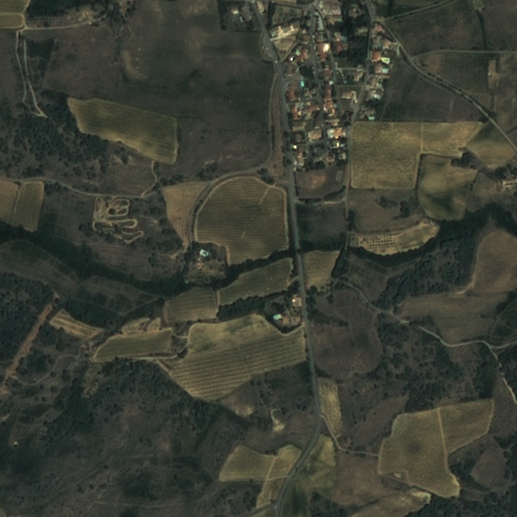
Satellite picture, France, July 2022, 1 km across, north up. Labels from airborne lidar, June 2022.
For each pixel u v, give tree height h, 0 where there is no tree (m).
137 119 0
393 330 11
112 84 0
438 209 0
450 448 0
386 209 7
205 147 0
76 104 0
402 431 0
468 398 7
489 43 0
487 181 0
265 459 0
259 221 0
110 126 0
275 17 0
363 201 0
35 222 0
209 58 0
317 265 0
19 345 11
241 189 0
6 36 0
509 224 7
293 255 14
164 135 0
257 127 0
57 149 13
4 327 11
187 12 0
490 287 0
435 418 0
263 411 0
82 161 11
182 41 0
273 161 0
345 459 0
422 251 8
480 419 0
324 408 0
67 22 0
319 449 0
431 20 0
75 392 13
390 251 0
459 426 0
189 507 0
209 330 0
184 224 0
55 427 9
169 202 0
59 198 0
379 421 0
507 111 0
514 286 0
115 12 6
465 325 0
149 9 0
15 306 6
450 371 6
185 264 8
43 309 11
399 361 10
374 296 0
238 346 0
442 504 12
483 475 0
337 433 0
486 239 0
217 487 0
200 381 0
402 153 0
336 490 0
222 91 0
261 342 0
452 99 0
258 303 14
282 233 0
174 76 0
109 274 11
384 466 0
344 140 8
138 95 0
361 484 0
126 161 8
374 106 9
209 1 0
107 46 0
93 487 10
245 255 0
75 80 0
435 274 16
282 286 0
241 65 0
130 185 0
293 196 0
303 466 0
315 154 8
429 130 0
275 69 0
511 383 11
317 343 0
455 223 9
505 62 0
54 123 11
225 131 0
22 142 11
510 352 8
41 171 9
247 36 0
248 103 0
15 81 0
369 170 0
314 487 0
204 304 0
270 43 0
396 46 0
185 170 0
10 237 17
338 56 8
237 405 0
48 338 11
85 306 7
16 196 0
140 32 0
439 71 0
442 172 0
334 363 0
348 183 0
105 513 0
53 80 0
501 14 0
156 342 0
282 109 0
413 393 8
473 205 0
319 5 0
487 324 0
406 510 0
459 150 0
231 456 0
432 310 0
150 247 9
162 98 0
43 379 0
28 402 0
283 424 0
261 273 0
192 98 0
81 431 8
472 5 0
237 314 17
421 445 0
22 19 0
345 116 6
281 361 0
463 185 0
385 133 0
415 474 0
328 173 0
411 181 0
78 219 0
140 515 0
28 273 0
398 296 11
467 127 0
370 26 17
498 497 12
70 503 0
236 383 0
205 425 13
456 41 0
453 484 0
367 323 0
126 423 0
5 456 6
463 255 12
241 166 0
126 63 0
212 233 0
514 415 0
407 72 0
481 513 13
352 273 0
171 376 0
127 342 0
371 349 0
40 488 9
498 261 0
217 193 0
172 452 0
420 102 0
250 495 7
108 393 9
